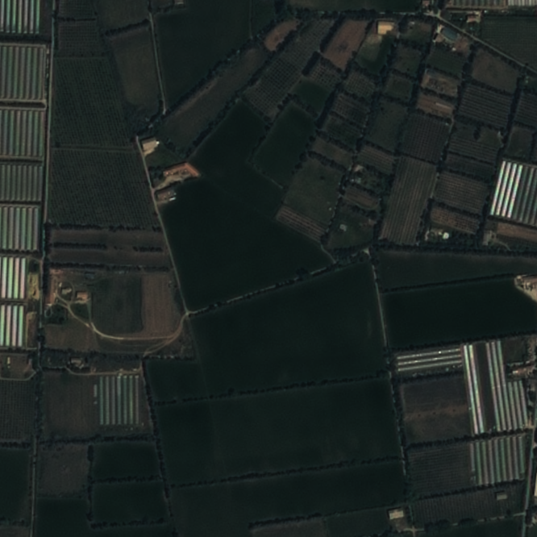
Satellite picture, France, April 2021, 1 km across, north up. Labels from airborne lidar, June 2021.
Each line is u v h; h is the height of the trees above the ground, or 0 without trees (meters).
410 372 0
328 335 0
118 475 0
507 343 0
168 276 0
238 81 0
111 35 11
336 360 0
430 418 0
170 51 0
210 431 0
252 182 0
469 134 0
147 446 0
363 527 0
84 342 0
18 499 0
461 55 10
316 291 0
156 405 10
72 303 0
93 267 10
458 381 0
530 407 8
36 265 11
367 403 0
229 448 0
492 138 0
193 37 0
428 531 15
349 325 0
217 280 0
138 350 0
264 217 0
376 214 11
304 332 0
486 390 0
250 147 0
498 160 9
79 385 0
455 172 10
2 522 13
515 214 0
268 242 0
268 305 0
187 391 0
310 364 0
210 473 0
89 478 7
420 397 0
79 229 14
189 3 0
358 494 0
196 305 0
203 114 0
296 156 0
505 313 0
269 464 0
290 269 0
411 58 0
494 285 0
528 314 0
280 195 0
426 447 14
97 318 0
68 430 0
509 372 6
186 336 0
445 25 12
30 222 0
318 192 0
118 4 0
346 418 0
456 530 0
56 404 0
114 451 0
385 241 8
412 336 0
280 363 0
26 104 7
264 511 0
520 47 0
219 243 0
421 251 12
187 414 0
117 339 0
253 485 0
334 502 0
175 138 0
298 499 0
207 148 0
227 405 0
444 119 10
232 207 0
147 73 0
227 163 0
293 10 18
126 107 7
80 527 0
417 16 7
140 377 0
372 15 16
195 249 0
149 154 0
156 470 0
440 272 0
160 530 0
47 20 0
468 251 13
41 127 0
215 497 0
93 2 0
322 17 13
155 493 0
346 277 0
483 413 0
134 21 0
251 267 0
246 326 0
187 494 0
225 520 0
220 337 0
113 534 0
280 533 0
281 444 0
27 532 0
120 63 0
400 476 0
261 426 0
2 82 0
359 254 7
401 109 0
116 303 0
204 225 0
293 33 10
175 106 9
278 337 0
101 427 0
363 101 11
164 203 0
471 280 9
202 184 0
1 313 0
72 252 0
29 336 0
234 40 0
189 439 0
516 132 0
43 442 14
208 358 0
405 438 15
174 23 0
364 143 13
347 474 0
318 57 17
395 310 0
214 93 0
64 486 0
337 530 0
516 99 10
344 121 14
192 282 0
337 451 0
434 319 0
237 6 0
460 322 0
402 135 10
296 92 0
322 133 10
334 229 6
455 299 0
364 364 0
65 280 0
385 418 0
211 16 0
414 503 7
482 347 0
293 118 0
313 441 0
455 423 0
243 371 0
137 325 0
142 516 0
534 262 0
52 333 0
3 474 0
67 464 0
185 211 0
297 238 0
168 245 0
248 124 0
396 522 0
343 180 6
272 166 0
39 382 10
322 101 0
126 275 0
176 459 0
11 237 0
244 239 0
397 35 0
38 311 0
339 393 0
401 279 0
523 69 6
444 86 0
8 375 0
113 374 0
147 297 0
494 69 0
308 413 0
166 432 0
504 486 12
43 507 0
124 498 0
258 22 0
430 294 0
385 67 9
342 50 0
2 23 0
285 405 0
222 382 0
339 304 0
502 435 11
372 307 0
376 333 0
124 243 0
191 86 0
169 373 0
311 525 0
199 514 0
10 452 0
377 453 0
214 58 0
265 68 7
